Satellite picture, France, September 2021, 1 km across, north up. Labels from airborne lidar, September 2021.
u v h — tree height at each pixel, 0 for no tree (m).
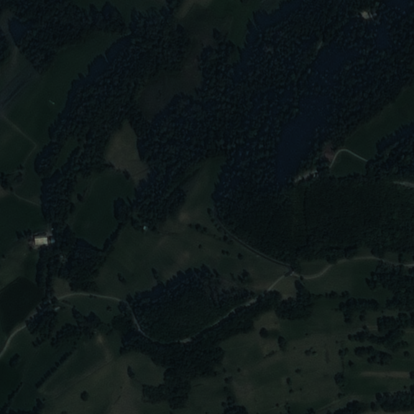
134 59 21
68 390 0
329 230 26
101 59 0
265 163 26
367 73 24
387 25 33
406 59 21
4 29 0
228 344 0
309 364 0
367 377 0
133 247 0
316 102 25
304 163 22
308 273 0
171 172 24
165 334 19
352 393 0
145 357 16
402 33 30
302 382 0
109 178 0
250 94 22
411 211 20
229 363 0
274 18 0
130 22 0
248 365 0
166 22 25
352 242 23
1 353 0
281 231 29
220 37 19
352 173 0
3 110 0
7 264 0
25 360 0
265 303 17
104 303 0
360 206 18
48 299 12
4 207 0
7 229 0
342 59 13
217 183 0
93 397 0
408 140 18
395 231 25
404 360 0
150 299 20
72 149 0
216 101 19
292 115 34
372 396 0
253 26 0
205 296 24
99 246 0
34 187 0
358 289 0
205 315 16
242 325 20
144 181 0
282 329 0
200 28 0
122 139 0
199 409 0
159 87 0
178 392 24
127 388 0
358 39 24
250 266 0
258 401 0
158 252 0
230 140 11
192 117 28
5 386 0
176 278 0
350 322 18
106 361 0
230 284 0
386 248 17
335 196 22
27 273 0
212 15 0
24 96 0
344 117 20
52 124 0
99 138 17
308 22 28
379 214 22
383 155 19
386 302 0
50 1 22
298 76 30
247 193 28
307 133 14
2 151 0
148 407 0
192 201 0
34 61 24
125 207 23
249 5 0
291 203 14
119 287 0
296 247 11
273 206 21
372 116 12
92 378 0
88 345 0
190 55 0
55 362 0
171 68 17
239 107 27
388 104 14
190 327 13
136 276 0
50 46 26
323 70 13
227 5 0
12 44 0
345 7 22
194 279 23
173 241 0
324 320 0
